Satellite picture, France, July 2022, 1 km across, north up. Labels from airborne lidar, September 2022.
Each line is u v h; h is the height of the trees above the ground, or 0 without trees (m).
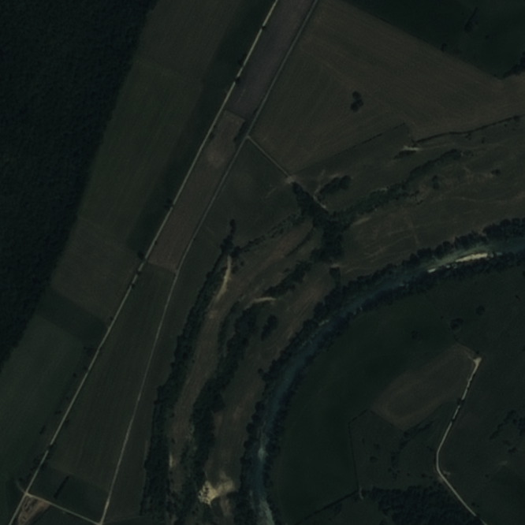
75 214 17
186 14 0
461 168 0
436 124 0
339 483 0
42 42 12
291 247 0
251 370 0
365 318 0
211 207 0
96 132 20
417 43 0
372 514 0
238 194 0
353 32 0
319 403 0
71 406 0
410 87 0
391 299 21
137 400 0
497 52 0
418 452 0
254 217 0
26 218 18
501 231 24
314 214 20
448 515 20
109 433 0
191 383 0
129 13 17
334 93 0
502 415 0
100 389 0
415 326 0
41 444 0
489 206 0
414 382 0
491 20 0
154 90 0
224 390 13
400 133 0
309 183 0
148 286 0
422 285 20
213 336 0
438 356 0
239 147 0
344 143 0
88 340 0
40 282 21
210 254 0
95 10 13
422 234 0
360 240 0
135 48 15
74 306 0
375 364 0
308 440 0
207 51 0
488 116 0
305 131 0
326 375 0
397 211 0
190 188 0
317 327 17
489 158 0
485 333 0
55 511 0
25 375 0
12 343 17
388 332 0
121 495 0
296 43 0
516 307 0
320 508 0
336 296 20
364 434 0
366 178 0
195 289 0
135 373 0
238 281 0
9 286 25
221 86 0
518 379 0
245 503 22
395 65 0
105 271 0
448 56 0
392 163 0
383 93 0
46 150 15
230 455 0
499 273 18
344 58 0
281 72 0
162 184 0
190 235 0
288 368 0
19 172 18
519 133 0
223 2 0
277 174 0
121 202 0
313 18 0
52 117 19
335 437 0
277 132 0
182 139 0
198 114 0
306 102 0
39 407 0
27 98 21
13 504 0
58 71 17
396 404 0
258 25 0
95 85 23
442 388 0
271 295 15
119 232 0
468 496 0
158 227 0
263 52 0
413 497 16
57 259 14
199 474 11
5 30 18
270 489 8
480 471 0
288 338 0
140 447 0
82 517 0
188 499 13
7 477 0
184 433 0
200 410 13
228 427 0
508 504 0
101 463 0
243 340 14
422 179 0
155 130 0
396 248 0
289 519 0
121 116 0
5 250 19
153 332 0
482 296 0
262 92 0
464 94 0
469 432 0
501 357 0
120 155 0
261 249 0
